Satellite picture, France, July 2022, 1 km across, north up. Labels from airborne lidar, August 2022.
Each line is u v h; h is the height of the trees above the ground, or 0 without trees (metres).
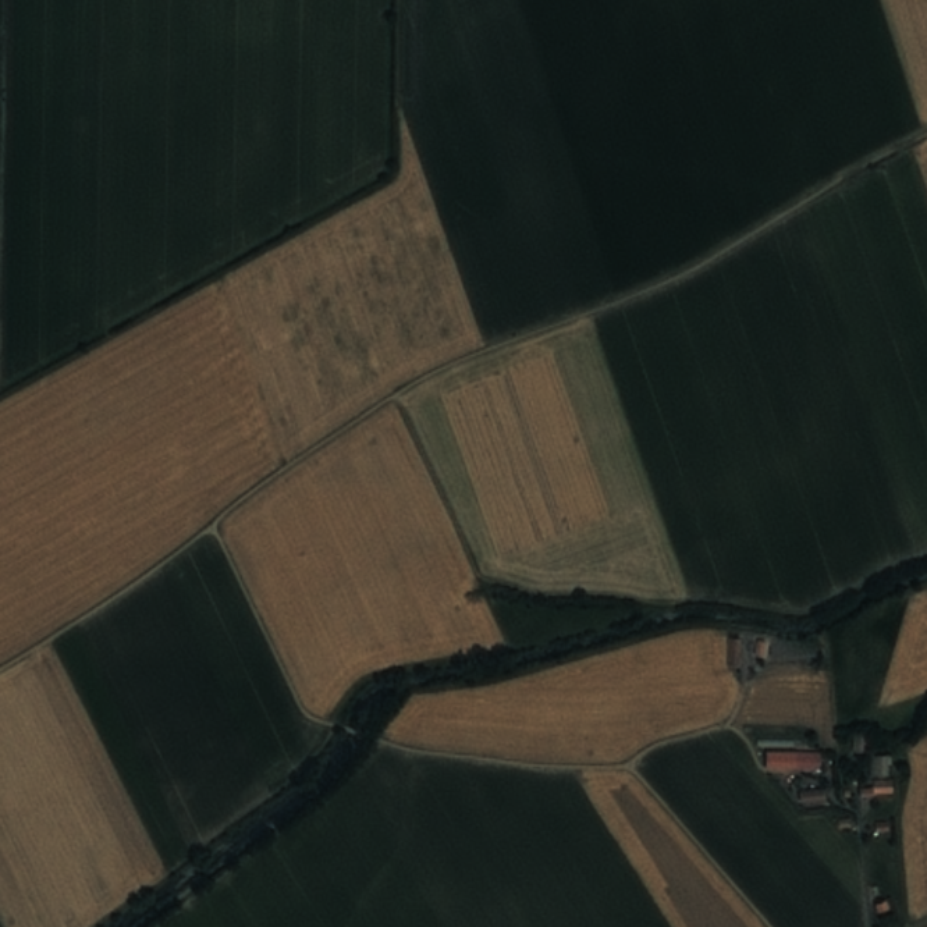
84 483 0
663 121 0
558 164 0
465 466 0
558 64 0
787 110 0
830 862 0
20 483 0
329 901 0
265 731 0
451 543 0
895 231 0
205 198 0
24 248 0
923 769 0
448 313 0
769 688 0
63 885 0
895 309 0
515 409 0
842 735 13
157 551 0
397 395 0
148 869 0
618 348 0
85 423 0
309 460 0
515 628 0
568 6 0
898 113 0
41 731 0
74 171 0
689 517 0
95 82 0
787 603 0
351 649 0
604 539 0
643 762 0
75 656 0
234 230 0
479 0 0
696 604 7
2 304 0
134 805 0
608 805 0
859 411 0
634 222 0
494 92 0
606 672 0
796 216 0
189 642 0
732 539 0
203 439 0
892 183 0
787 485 0
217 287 0
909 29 0
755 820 0
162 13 0
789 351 0
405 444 0
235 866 15
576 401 0
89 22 0
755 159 0
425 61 0
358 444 0
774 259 0
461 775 0
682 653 0
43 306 0
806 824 0
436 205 0
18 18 0
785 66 0
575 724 0
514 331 0
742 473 0
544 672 0
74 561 0
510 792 0
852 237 0
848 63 0
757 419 0
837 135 0
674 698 0
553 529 0
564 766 0
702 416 0
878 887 0
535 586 0
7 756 0
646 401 0
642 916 0
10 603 0
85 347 11
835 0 0
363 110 0
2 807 0
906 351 0
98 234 0
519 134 0
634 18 0
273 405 0
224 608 0
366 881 0
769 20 0
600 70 0
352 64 0
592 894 0
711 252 0
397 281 0
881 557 0
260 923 0
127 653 0
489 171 0
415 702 0
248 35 0
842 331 0
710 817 0
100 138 0
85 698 0
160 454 0
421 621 0
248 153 0
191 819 0
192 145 0
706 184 0
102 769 0
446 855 0
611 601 9
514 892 0
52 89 0
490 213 0
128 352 0
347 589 0
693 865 0
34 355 0
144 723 0
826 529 0
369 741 18
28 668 0
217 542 0
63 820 0
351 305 0
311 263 0
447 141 0
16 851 0
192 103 0
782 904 0
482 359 0
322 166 0
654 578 0
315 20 0
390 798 0
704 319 0
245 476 0
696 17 0
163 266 0
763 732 0
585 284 0
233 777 0
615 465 0
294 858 0
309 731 0
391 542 0
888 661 0
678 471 0
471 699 0
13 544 0
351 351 0
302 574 0
